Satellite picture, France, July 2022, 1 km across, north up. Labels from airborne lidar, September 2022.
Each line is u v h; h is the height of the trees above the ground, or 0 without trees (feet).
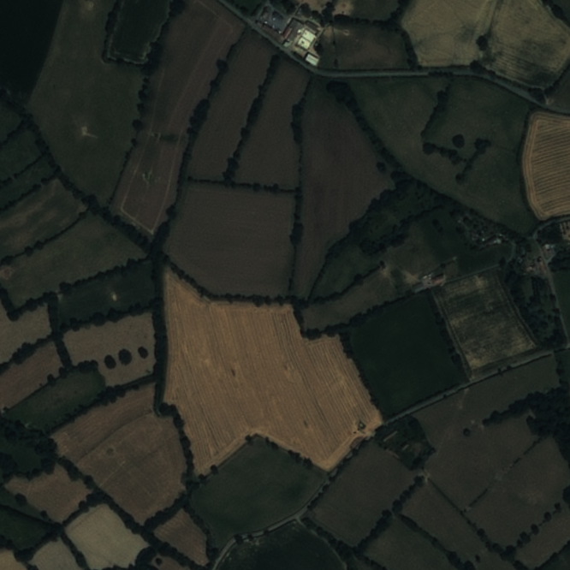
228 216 0
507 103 0
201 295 46
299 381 0
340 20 55
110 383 0
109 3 0
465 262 0
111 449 0
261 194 0
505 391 0
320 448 0
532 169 0
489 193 0
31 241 0
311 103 0
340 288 0
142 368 0
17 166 0
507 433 0
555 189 0
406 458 0
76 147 0
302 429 0
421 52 0
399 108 0
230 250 0
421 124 0
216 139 0
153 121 0
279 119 0
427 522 0
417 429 41
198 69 0
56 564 0
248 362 0
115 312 50
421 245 0
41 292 0
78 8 0
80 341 0
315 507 22
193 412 0
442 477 0
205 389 0
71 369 23
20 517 38
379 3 0
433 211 23
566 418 27
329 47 0
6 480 44
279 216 0
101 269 0
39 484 0
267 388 0
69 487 0
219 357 0
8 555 0
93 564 0
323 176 0
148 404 0
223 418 0
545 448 0
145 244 66
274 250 0
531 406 46
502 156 0
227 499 0
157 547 50
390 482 0
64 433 0
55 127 0
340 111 0
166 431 0
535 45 0
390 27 41
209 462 0
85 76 0
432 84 0
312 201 0
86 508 51
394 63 0
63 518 0
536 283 41
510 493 0
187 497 25
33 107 0
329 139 0
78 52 0
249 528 0
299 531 0
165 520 30
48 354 0
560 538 0
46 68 0
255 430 0
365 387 30
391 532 0
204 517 0
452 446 0
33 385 0
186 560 29
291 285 35
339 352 0
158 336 43
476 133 0
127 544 0
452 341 26
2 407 0
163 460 0
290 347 0
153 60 69
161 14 0
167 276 0
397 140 0
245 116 0
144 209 0
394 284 0
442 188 0
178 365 0
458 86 0
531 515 0
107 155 0
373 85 0
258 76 0
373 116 0
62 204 0
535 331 42
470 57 0
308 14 54
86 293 0
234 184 41
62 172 45
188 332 0
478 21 0
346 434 0
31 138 0
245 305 0
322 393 0
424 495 0
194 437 0
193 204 0
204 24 0
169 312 0
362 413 0
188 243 0
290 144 0
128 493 0
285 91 0
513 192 0
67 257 0
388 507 0
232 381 0
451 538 0
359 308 0
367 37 0
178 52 0
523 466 0
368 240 23
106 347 0
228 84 0
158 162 0
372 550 0
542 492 0
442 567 0
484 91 0
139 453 0
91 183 0
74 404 0
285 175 0
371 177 0
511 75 0
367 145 0
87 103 0
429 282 0
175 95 0
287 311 0
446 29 0
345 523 0
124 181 0
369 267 0
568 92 0
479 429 0
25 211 0
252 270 0
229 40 0
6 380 0
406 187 61
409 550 0
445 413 0
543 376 0
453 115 0
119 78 0
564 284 0
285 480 0
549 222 24
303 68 18
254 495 0
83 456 0
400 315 0
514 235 23
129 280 0
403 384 0
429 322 0
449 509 0
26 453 0
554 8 31
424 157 0
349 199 0
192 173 0
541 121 0
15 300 0
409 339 0
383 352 0
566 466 0
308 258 0
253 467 0
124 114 0
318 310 0
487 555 0
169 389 0
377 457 0
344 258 0
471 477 0
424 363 0
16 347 0
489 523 0
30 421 0
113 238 0
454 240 0
